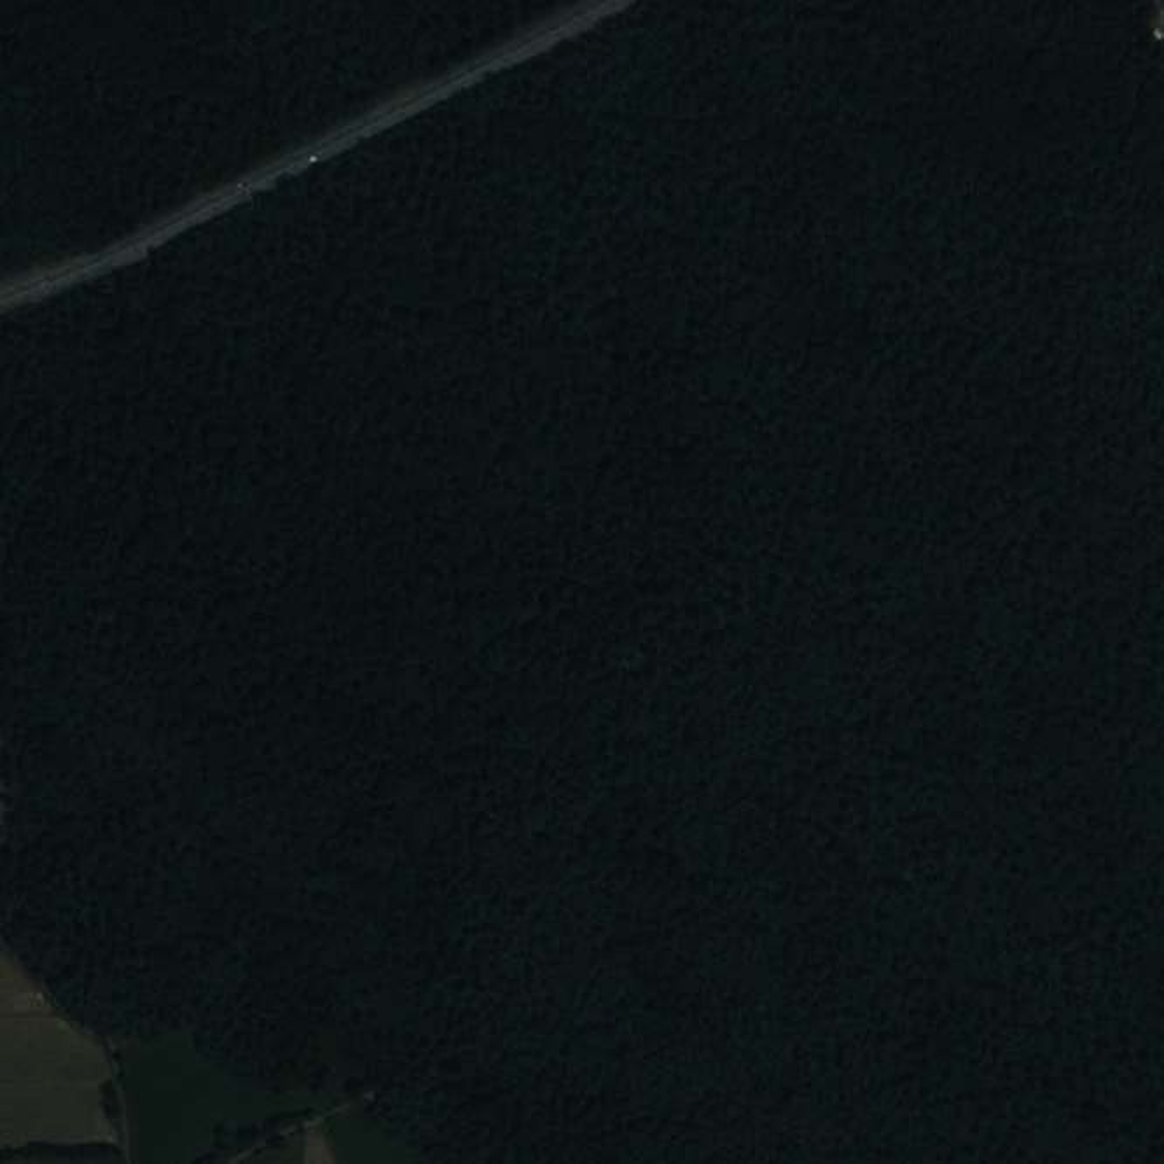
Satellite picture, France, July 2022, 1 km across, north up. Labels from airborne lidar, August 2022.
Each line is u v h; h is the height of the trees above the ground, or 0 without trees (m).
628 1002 17
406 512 7
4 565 24
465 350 18
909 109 15
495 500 10
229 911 10
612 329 18
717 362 19
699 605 17
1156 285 17
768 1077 18
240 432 22
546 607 21
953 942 6
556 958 19
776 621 17
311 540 19
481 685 18
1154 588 22
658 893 22
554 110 19
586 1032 17
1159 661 20
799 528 16
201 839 7
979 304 21
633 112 16
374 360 25
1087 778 18
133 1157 0
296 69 22
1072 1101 9
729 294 18
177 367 16
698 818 20
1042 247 19
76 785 7
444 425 12
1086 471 9
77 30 17
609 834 23
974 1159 8
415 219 18
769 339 19
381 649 16
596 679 23
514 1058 20
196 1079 0
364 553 16
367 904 11
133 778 8
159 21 16
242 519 7
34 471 20
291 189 19
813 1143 21
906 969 20
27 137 22
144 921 6
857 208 23
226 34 20
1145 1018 6
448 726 24
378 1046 14
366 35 19
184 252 19
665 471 20
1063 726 20
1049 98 17
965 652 15
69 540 17
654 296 19
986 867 8
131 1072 0
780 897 21
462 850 12
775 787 13
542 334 8
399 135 7
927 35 9
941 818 9
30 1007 0
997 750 19
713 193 20
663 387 22
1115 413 20
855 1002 12
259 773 10
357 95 17
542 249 20
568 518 21
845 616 13
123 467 11
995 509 14
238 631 10
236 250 7
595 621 17
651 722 21
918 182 16
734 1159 15
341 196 19
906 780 15
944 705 9
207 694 18
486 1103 22
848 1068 23
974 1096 16
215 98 11
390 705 10
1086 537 8
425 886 16
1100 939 9
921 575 16
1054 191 12
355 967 12
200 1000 17
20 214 22
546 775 19
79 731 14
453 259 6
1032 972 8
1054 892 15
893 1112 19
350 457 18
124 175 16
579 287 8
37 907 15
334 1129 0
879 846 17
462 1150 18
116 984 12
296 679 21
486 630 16
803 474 8
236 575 19
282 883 6
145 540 13
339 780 17
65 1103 0
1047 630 17
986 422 19
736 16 25
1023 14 19
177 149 11
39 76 21
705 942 21
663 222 7
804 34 21
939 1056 11
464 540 23
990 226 8
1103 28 21
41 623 8
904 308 21
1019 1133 18
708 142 20
